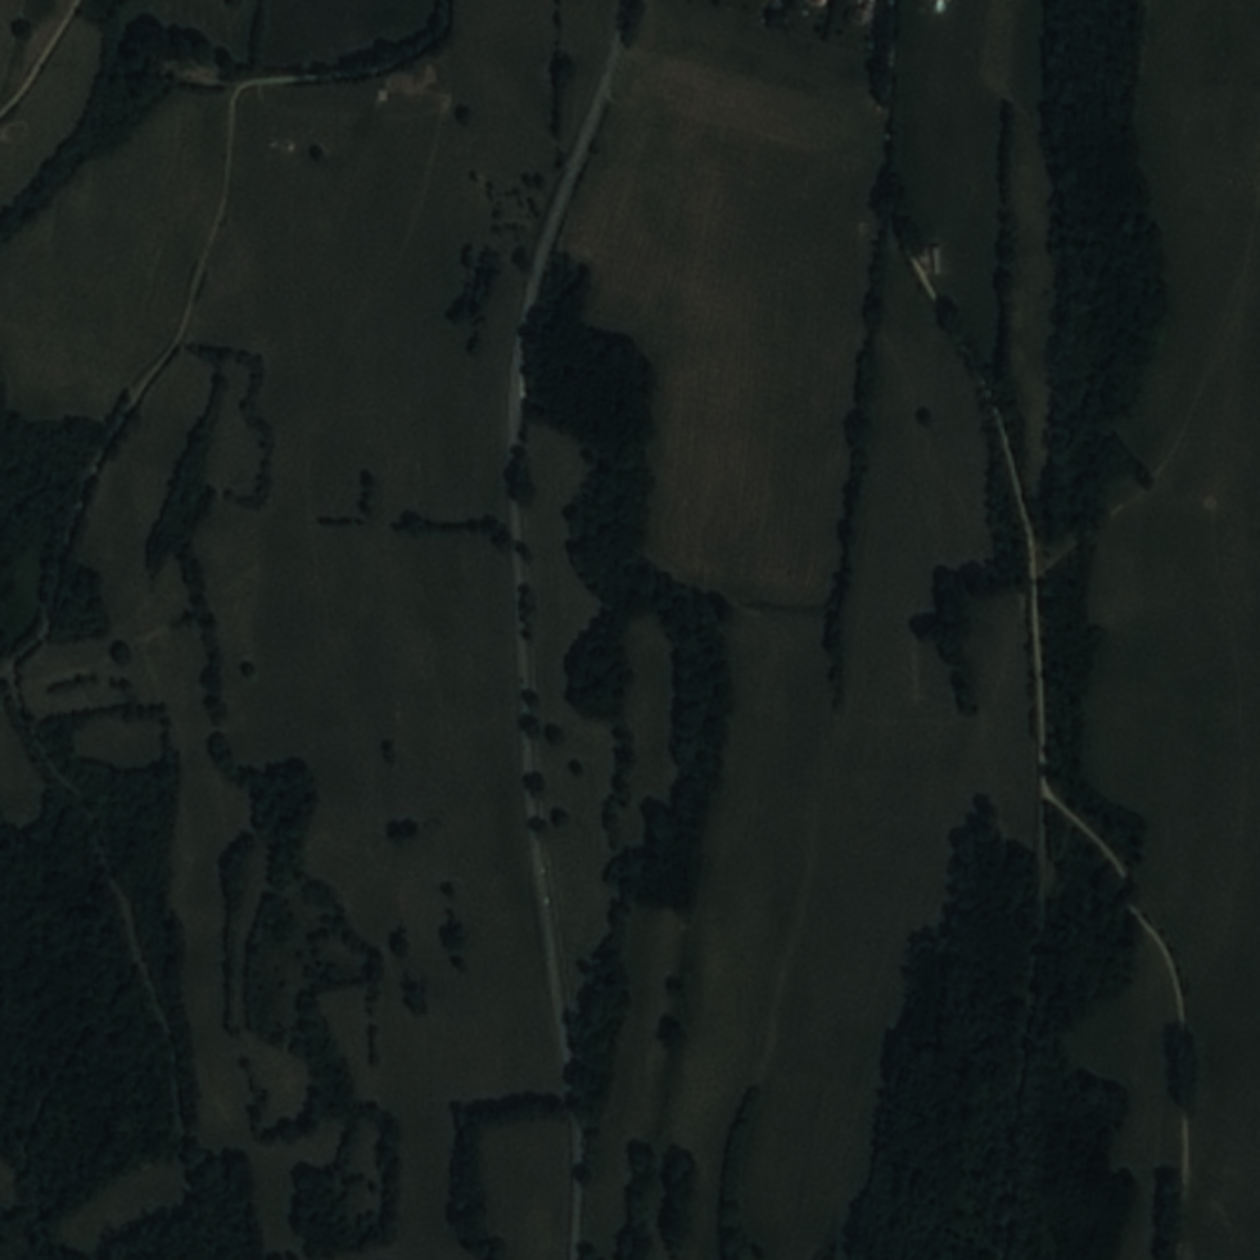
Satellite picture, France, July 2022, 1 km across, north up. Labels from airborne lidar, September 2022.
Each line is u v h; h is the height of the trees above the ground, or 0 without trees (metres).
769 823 0
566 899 0
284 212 0
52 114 0
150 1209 0
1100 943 10
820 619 0
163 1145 17
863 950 0
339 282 0
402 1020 0
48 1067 13
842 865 0
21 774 0
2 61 0
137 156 0
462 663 0
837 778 0
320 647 0
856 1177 0
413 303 0
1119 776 0
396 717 0
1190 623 0
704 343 0
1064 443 20
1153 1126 0
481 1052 0
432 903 0
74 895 9
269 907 7
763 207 0
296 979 0
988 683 0
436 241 0
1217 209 0
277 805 11
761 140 0
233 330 0
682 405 0
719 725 20
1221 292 0
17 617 0
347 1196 6
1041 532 8
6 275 0
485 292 7
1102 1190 12
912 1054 19
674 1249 15
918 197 0
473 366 0
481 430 0
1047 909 6
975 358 18
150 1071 13
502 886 0
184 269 0
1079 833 7
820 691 0
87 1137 9
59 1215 23
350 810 0
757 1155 0
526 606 14
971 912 21
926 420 12
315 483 0
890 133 11
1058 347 18
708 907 0
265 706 0
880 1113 10
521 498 17
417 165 0
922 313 0
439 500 0
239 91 0
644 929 0
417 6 0
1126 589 0
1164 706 0
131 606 0
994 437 8
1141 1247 0
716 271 0
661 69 0
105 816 7
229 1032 11
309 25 0
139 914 9
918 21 0
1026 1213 8
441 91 0
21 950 9
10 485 7
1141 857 15
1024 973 10
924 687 0
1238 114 0
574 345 23
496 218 6
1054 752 17
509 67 0
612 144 0
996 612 0
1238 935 0
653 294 0
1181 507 0
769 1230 0
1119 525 0
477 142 0
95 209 0
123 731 0
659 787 0
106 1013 9
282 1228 0
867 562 0
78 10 8
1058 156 21
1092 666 10
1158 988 0
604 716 10
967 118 0
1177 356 0
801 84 0
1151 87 0
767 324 0
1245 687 0
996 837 19
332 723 0
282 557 0
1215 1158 0
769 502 0
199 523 11
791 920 0
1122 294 19
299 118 0
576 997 0
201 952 0
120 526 0
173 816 7
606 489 17
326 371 0
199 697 0
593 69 0
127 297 0
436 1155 0
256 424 5
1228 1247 0
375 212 0
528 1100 14
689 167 0
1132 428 0
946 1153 14
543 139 0
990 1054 10
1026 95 0
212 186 0
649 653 0
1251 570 0
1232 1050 0
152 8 0
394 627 0
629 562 26
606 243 0
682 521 0
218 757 17
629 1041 0
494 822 0
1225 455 0
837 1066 0
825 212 0
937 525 0
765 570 0
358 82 10
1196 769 0
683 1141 0
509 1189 0
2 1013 11
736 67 0
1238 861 0
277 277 0
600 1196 0
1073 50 22
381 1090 0
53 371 0
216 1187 8
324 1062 7
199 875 0
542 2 0
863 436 21
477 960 0
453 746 0
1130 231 18
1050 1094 10
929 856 0
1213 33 0
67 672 0
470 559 0
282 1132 11
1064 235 13
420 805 0
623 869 17
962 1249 8
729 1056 0
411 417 0
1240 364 0
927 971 10
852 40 0
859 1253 11
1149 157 0
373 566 0
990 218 0
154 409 0
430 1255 0
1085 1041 0
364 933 0
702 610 23
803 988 0
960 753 0
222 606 0
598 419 25
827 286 0
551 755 0
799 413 0
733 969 0
